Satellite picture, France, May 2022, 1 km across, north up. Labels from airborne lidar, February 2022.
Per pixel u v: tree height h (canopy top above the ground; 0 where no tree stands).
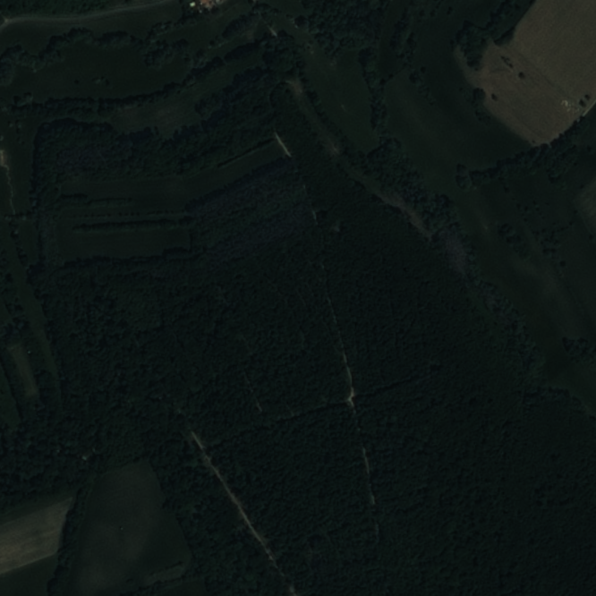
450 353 20
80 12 9
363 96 0
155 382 21
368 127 0
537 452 17
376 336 16
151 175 6
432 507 19
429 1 0
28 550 0
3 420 21
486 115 6
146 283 17
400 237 21
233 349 23
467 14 0
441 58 0
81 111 17
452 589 21
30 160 0
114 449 11
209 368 22
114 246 0
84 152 22
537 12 0
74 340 24
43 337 0
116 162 23
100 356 19
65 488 19
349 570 23
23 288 0
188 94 0
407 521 22
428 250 20
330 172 19
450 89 0
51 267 17
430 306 17
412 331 17
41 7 9
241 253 23
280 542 22
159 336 22
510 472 24
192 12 11
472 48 14
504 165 16
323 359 15
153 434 22
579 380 0
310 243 15
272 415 19
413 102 0
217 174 0
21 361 0
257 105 11
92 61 0
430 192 21
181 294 20
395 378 16
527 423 24
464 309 25
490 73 0
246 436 19
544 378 16
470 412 18
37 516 0
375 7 14
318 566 24
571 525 18
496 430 24
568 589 18
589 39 0
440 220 24
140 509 0
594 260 0
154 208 0
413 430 18
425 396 22
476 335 26
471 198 0
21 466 30
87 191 0
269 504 25
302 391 22
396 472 19
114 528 0
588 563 17
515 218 0
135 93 0
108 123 0
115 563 0
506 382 24
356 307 16
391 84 0
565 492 17
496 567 20
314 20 11
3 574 0
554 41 0
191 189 0
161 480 10
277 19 0
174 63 0
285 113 17
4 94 0
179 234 0
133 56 0
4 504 24
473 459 18
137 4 0
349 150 18
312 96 17
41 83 0
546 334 0
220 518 26
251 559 30
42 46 0
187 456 19
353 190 19
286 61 20
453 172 0
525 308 0
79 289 19
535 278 0
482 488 18
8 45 0
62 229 0
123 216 7
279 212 17
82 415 21
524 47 0
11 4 14
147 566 0
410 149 0
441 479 19
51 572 0
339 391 19
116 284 17
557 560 17
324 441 22
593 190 0
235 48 0
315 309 16
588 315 0
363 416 20
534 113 0
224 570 22
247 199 19
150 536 0
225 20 0
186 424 24
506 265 0
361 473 20
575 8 0
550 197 0
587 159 0
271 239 20
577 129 13
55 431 21
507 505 23
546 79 0
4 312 0
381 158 10
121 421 8
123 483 0
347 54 0
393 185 15
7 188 0
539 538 18
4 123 0
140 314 9
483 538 28
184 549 0
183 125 0
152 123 0
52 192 17
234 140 8
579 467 15
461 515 17
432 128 0
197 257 16
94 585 0
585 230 0
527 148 0
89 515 0
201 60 10
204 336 19
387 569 17
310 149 17
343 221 13
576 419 20
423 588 19
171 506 11
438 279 21
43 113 15
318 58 0
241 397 23
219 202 18
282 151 0
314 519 21
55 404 23
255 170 0
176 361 25
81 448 23
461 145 0
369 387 15
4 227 0
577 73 0
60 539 0
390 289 17
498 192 0
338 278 14
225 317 20
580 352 13
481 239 0
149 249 0
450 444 17
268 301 20
